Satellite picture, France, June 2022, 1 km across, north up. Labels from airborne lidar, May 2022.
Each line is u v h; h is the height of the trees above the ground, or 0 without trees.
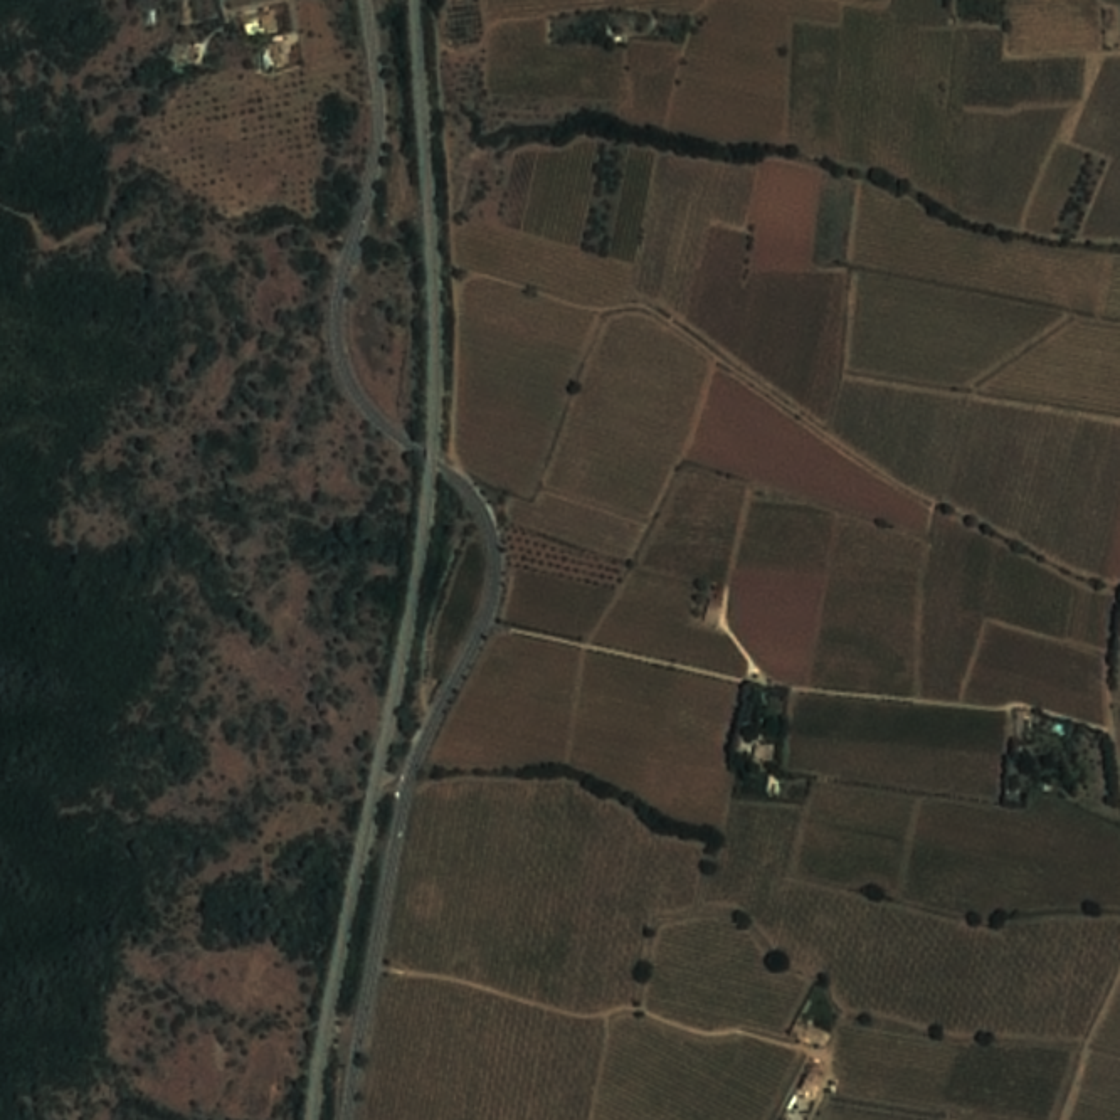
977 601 0
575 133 10
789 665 0
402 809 0
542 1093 0
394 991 0
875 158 0
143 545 6
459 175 0
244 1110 0
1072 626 0
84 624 9
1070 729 6
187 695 11
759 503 0
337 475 0
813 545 0
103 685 8
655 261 0
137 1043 0
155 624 6
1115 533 0
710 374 0
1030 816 0
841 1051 0
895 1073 0
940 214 12
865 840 0
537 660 0
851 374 0
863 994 0
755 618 0
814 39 0
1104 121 0
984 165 0
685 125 0
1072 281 0
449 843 0
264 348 12
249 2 0
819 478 0
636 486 0
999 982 0
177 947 13
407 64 8
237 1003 0
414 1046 0
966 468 0
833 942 0
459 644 0
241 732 12
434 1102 0
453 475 0
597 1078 0
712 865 14
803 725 0
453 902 0
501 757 0
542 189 0
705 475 0
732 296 0
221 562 15
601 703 0
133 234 6
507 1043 0
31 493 7
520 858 0
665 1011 0
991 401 0
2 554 10
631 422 0
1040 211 0
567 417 0
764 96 0
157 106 20
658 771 0
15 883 16
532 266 0
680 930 0
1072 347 0
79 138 9
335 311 0
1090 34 0
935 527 0
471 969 0
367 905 8
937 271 0
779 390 0
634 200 0
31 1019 9
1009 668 0
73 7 8
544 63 0
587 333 0
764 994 0
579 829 0
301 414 9
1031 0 0
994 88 0
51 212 15
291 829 0
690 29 7
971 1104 0
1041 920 0
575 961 0
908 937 0
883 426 0
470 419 0
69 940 10
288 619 0
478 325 0
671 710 0
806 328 0
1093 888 0
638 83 0
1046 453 0
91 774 6
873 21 0
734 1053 0
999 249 0
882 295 0
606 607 0
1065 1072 0
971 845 0
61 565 9
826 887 0
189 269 0
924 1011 0
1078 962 0
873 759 0
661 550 0
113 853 12
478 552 0
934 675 0
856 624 0
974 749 0
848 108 0
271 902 15
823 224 0
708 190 0
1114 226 0
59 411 8
